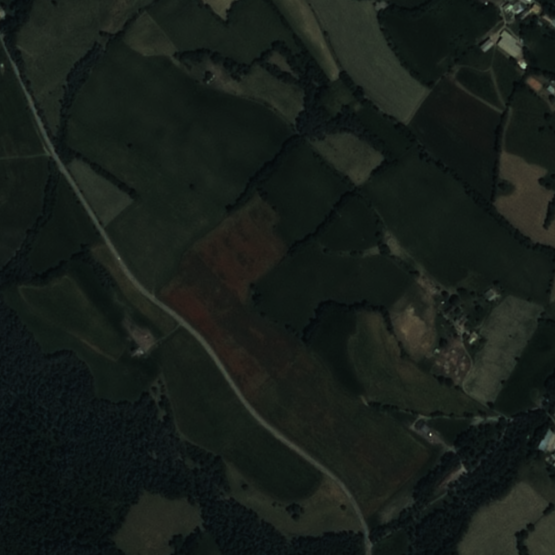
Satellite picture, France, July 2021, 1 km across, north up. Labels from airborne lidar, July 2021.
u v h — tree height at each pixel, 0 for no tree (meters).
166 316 0
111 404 18
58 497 14
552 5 13
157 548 0
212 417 0
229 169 0
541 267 0
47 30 0
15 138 0
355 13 0
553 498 0
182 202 0
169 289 0
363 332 0
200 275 0
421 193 0
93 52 12
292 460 0
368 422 0
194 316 0
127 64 0
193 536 14
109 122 0
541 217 0
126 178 0
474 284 0
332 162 0
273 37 0
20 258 15
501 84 0
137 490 18
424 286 0
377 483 0
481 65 0
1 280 16
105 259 0
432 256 0
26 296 0
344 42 0
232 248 0
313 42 0
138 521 0
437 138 0
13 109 0
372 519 0
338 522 0
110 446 27
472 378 0
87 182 0
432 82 8
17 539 18
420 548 17
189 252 0
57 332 0
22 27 10
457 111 0
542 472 0
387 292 0
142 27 0
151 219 0
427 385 0
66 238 0
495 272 0
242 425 0
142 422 10
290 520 0
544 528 0
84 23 0
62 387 27
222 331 0
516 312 0
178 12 0
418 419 0
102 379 0
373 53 0
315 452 0
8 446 10
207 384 0
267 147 0
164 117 0
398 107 0
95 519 15
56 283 0
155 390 11
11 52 14
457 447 10
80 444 28
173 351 0
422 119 0
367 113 0
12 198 0
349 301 0
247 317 0
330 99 0
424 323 0
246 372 0
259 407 0
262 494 0
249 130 0
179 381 0
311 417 0
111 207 0
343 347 0
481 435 12
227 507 12
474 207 0
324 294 0
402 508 0
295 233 0
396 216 0
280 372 0
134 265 0
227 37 0
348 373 0
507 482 17
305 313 0
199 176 0
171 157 0
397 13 13
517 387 0
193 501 19
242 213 0
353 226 0
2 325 22
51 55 0
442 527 20
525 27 13
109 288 10
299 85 9
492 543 0
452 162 0
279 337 0
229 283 0
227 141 0
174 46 0
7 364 17
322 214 0
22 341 23
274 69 18
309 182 0
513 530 0
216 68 0
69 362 13
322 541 16
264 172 16
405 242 0
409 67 10
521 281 0
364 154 0
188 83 0
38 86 0
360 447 0
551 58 0
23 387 19
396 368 0
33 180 0
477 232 0
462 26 0
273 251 0
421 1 0
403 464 0
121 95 0
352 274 0
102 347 0
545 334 0
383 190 0
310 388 0
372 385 0
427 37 0
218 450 0
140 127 0
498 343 0
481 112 0
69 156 13
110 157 0
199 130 0
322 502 0
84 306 0
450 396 0
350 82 13
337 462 0
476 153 0
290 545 16
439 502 0
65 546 38
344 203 12
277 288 0
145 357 0
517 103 0
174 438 17
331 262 0
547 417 14
